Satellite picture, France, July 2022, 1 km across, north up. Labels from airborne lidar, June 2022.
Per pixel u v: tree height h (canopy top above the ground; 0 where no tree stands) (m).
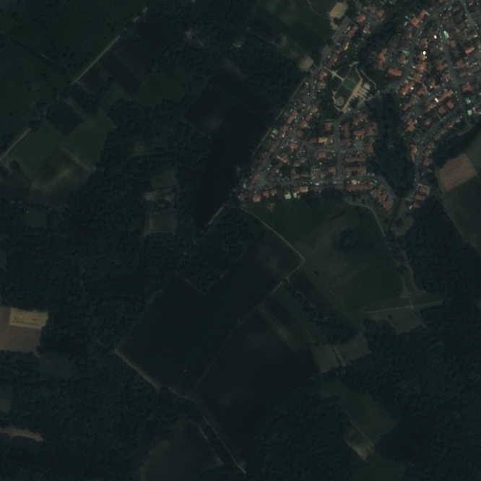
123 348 0
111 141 12
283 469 28
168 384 0
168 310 0
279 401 0
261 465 27
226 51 20
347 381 21
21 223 20
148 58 0
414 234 14
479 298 18
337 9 0
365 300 0
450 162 0
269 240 0
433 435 12
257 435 16
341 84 0
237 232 15
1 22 0
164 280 23
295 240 0
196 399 0
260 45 19
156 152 6
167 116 25
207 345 0
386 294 0
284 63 13
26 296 19
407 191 11
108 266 25
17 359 7
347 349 0
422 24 0
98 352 28
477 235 0
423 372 24
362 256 0
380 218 0
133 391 28
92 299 13
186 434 0
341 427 27
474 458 30
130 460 22
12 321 0
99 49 0
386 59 0
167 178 0
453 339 19
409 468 14
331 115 0
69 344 15
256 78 21
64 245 28
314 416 28
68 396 25
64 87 0
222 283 0
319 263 0
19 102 0
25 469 21
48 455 20
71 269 22
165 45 0
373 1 7
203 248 6
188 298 0
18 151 0
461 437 20
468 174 0
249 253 0
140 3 0
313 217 0
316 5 0
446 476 23
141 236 19
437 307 11
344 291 0
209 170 0
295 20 0
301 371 0
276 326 0
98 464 15
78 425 23
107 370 23
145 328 0
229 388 0
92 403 20
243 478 16
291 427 32
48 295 27
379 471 0
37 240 28
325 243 0
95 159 0
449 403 18
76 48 0
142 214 17
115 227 24
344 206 0
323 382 19
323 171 0
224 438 0
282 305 0
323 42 0
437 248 25
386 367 25
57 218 26
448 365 18
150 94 0
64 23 0
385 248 0
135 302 17
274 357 0
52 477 20
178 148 18
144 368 0
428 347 23
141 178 19
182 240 22
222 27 14
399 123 5
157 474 0
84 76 0
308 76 11
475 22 0
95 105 17
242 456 0
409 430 18
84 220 23
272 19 0
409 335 17
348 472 14
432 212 19
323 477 20
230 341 0
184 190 13
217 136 0
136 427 24
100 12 0
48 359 0
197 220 0
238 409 0
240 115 0
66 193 0
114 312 28
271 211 0
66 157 0
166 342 0
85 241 26
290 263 0
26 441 19
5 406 0
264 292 0
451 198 0
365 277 0
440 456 20
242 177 11
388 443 19
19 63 0
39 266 21
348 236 26
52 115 13
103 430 26
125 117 16
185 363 0
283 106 13
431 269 22
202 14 16
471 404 27
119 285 9
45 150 0
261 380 0
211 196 0
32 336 0
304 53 0
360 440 0
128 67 0
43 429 13
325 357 0
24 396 26
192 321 0
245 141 0
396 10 0
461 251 17
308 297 0
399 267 0
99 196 10
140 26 0
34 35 0
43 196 0
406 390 20
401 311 0
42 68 0
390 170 0
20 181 0
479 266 18
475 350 19
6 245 22
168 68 19
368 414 0
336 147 0
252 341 0
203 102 0
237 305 0
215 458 0
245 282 0
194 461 0
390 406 8
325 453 27
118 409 18
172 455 0
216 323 0
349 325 7
